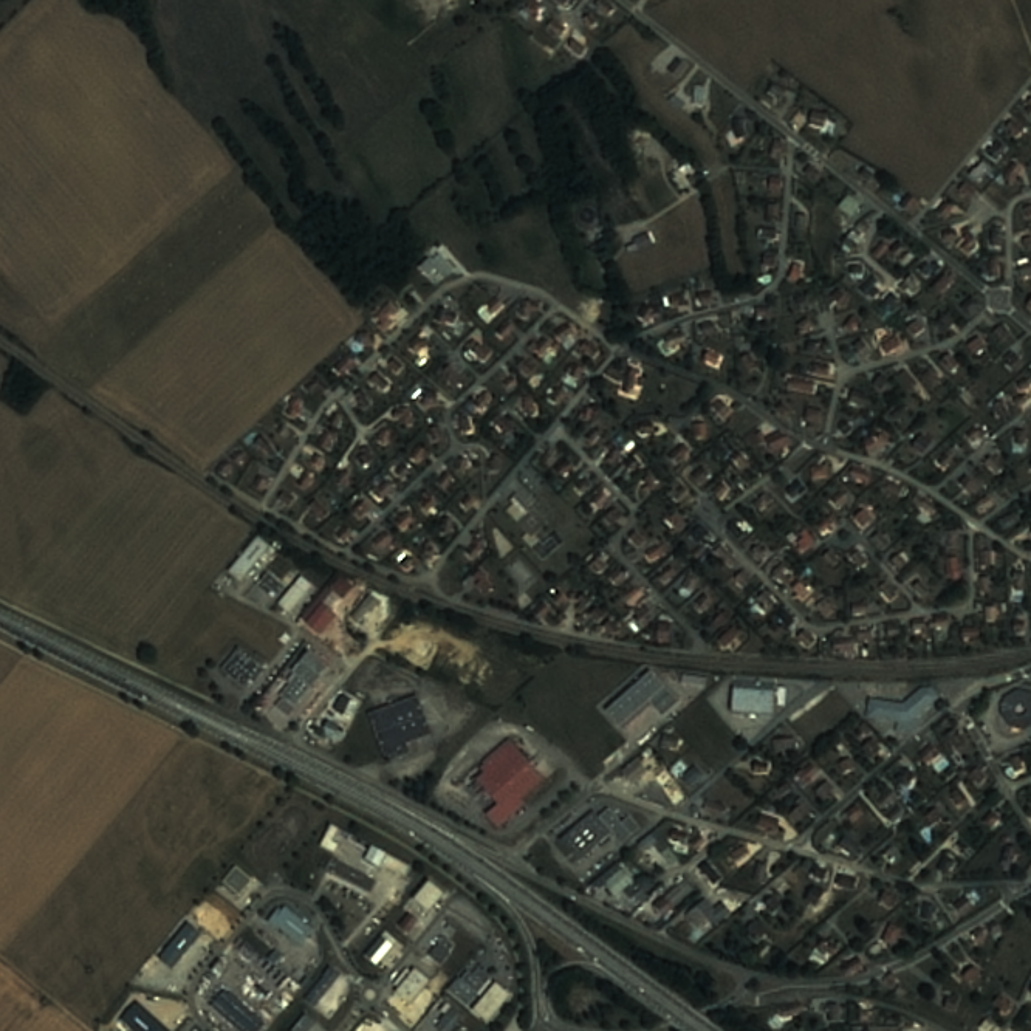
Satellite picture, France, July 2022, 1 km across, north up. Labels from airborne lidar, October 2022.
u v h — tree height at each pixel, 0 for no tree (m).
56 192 0
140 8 11
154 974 0
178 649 0
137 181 0
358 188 0
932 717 0
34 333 0
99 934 0
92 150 0
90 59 0
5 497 0
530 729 0
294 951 0
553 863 0
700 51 0
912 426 6
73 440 0
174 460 0
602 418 0
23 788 0
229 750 15
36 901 0
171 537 0
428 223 0
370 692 0
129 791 0
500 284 0
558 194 17
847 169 0
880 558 6
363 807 0
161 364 0
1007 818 6
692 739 0
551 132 16
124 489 0
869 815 0
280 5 0
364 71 0
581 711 0
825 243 0
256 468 0
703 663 0
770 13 0
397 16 0
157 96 0
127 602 0
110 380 0
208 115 0
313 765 0
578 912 17
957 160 0
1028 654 0
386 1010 0
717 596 0
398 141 0
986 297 0
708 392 11
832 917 0
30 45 0
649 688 0
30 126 0
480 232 0
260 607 0
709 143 0
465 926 0
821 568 0
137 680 0
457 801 0
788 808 9
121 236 0
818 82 0
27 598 0
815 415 0
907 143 0
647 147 0
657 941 0
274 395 0
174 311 0
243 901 0
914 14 0
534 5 0
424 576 0
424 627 0
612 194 0
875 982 7
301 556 7
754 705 0
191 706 0
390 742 0
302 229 10
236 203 0
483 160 12
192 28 0
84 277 0
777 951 8
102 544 0
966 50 0
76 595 0
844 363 0
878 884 10
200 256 0
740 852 0
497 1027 12
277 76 6
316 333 0
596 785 0
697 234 0
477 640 0
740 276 8
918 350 0
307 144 0
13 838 0
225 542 0
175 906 0
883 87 0
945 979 9
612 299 11
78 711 0
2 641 0
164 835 0
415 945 0
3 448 0
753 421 0
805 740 0
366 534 0
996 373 0
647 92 0
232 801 0
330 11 0
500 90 0
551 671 0
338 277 13
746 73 0
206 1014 0
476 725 0
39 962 0
